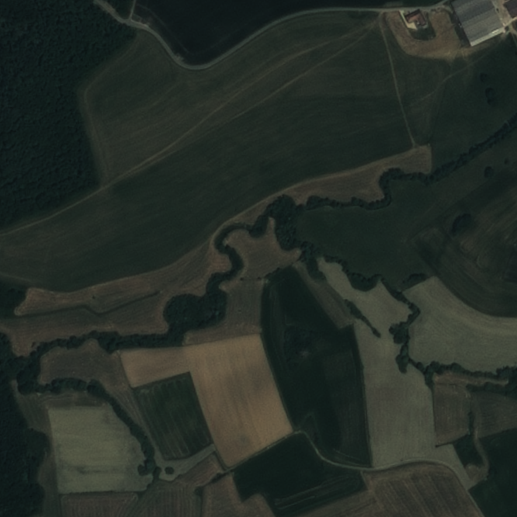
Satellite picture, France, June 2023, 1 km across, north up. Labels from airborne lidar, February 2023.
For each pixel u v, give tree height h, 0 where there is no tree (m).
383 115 0
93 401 0
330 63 0
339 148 0
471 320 0
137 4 0
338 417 0
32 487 20
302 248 10
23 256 0
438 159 0
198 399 0
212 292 6
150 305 0
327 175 0
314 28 0
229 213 0
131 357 0
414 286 0
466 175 0
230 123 0
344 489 0
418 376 0
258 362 0
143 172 0
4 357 15
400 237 0
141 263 0
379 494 0
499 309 0
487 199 0
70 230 0
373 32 0
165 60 0
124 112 0
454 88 0
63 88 15
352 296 0
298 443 0
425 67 0
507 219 0
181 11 0
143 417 0
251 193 0
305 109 0
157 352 0
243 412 0
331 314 0
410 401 0
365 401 0
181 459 0
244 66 0
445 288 0
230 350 0
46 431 0
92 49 16
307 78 0
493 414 0
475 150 17
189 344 0
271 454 0
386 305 0
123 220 0
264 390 0
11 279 0
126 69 0
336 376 0
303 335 8
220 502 0
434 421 0
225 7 0
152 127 0
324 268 0
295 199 0
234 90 0
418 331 0
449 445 0
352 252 0
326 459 0
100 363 0
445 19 0
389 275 0
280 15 0
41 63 14
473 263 0
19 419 16
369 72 0
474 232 0
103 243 0
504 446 0
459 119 0
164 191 0
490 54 0
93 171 17
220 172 0
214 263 0
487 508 0
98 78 0
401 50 0
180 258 0
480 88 0
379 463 0
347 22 0
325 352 0
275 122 0
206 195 0
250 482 0
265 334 0
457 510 0
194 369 0
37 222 0
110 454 0
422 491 0
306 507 0
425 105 0
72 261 0
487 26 0
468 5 0
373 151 0
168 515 0
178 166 0
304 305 0
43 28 13
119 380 0
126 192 0
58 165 15
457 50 0
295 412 0
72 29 15
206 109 0
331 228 0
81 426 0
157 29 0
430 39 0
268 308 0
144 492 0
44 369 0
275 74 0
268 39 0
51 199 18
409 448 0
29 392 12
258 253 0
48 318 0
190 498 0
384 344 0
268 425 0
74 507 0
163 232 0
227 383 0
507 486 0
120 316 0
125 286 0
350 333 0
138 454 0
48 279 0
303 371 0
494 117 0
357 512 0
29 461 16
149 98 0
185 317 6
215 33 0
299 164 0
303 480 0
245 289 0
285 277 0
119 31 17
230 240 0
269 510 0
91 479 0
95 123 0
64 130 18
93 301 0
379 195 0
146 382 0
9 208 21
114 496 0
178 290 0
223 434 0
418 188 0
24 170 20
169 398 0
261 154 0
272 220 0
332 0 0
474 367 0
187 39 0
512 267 0
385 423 0
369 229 0
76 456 0
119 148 0
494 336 0
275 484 0
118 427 0
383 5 0
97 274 0
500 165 0
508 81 0
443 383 0
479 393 0
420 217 0
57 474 0
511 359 0
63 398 0
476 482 0
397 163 0
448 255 0
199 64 0
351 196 0
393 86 0
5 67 25
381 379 0
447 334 0
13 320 0
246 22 0
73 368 0
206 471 0
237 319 0
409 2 0
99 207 0
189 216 0
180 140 0
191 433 0
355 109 0
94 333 10
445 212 0
